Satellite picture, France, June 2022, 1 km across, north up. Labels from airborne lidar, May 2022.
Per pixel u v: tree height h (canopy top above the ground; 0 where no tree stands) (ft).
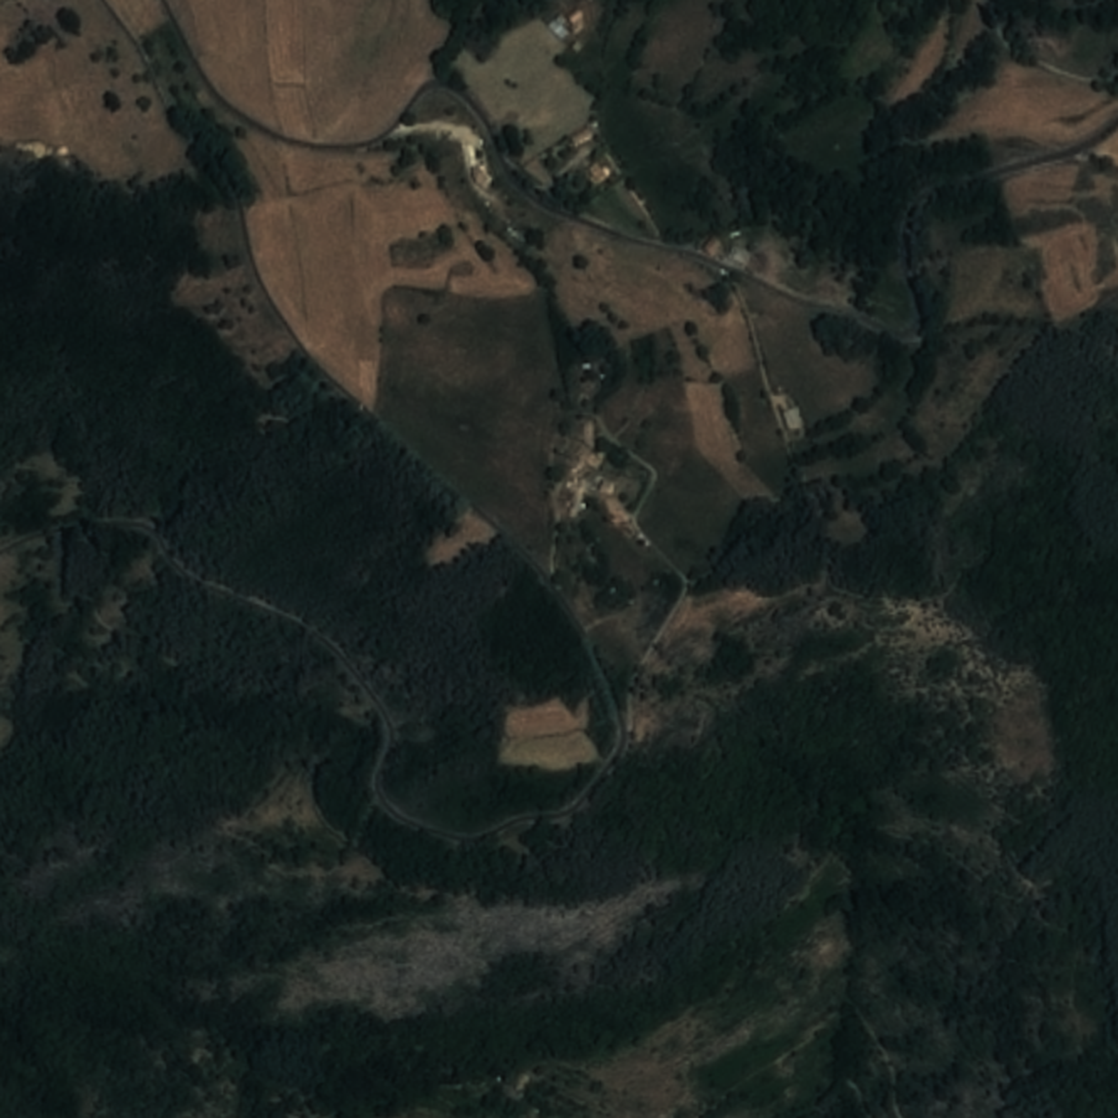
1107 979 62
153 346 60
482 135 0
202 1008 28
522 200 0
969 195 44
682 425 0
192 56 0
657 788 49
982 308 0
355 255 0
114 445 60
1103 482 91
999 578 48
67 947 43
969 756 25
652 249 0
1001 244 31
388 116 0
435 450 0
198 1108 22
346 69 0
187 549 45
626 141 0
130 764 43
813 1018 0
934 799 30
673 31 0
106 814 23
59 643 46
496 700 47
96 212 56
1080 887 47
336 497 54
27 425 45
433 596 48
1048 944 57
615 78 0
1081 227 0
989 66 97
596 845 59
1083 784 44
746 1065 31
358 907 32
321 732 40
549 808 44
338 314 0
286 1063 104
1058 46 0
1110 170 21
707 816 46
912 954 19
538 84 0
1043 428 51
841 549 52
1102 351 52
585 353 74
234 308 0
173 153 0
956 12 30
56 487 26
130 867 25
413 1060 76
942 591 29
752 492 0
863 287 56
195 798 38
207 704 61
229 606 36
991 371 0
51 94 0
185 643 61
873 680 26
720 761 31
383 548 45
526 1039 50
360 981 0
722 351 0
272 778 32
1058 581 50
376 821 30
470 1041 47
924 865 25
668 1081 0
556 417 0
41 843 26
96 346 62
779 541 57
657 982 33
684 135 0
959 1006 39
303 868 35
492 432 0
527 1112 31
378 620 52
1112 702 49
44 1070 28
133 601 34
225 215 0
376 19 0
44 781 46
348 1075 70
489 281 0
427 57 0
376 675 30
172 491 36
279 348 0
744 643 20
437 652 58
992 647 32
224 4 0
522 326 0
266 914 36
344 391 0
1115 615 66
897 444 0
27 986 34
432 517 45
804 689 25
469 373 0
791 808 56
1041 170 0
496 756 19
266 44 0
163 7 0
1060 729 23
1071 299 0
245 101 0
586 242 0
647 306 0
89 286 57
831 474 0
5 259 42
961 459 31
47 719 59
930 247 39
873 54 0
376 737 31
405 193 0
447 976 0
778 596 26
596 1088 25
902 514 83
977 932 31
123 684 31
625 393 0
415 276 0
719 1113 33
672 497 0
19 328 59
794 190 54
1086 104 0
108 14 0
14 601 31
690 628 0
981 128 0
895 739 18
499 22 63
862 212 77
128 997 42
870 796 36
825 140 0
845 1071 61
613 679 33
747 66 0
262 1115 22
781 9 41
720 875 48
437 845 22
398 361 0
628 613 0
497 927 0
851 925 55
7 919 48
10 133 0
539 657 30
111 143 0
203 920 32
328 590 54
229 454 35
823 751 64
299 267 0
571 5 0
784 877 72
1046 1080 30
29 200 40
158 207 63
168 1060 30
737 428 21
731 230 21
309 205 0
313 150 0
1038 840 33
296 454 35
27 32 27
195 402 58
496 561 63
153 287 49
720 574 56
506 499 0
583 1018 57
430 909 21
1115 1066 30
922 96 28
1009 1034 31
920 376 31
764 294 0
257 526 56
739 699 32
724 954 51
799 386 0
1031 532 43
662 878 47
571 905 40
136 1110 29
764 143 47
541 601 27
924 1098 33
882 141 77
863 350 34
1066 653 46
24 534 29
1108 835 86
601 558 23
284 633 51
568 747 0
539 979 33
